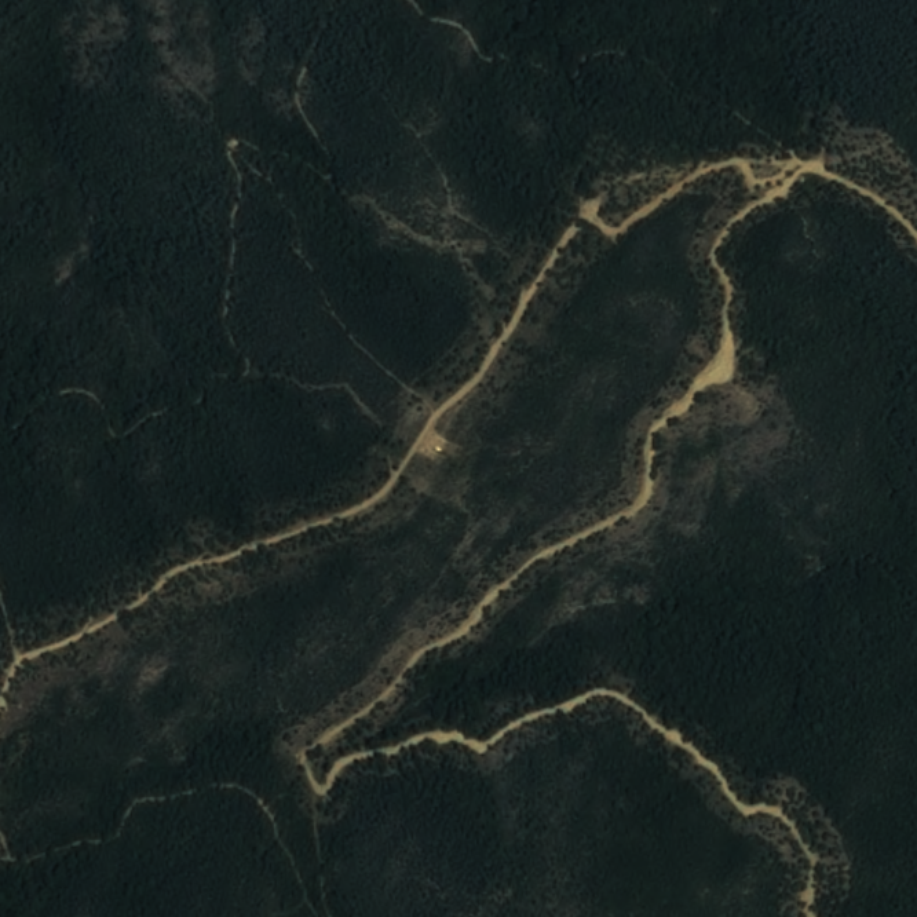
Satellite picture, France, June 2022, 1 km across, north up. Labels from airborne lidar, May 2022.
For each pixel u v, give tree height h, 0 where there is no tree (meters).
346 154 8
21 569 6
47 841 10
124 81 9
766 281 8
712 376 0
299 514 9
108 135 7
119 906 10
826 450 9
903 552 13
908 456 10
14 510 9
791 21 7
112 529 7
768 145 8
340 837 8
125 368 13
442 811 9
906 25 21
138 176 8
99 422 9
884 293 12
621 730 7
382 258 6
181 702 8
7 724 0
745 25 13
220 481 9
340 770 0
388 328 8
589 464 5
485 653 13
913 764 9
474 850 9
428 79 6
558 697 12
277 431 6
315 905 6
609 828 8
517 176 16
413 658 0
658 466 10
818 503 9
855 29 18
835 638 12
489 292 0
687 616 14
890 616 11
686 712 14
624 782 11
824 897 9
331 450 8
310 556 6
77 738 7
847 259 9
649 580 7
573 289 6
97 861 6
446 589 9
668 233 6
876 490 10
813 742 10
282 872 8
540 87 13
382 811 9
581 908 7
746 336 11
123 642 0
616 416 8
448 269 6
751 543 11
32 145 11
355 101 9
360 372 6
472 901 7
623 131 8
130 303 12
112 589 8
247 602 9
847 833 6
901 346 10
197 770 11
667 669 13
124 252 13
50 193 7
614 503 7
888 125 13
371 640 9
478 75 7
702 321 8
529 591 12
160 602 7
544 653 6
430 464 0
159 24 8
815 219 6
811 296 6
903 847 9
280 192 8
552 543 8
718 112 12
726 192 6
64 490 10
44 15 7
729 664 10
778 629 6
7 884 6
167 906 7
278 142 9
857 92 15
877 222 9
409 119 7
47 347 12
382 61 17
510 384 7
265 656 9
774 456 6
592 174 9
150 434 8
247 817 7
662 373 6
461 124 13
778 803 8
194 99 8
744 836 8
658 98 9
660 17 15
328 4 10
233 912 7
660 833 7
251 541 8
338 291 7
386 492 0
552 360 7
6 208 6
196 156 7
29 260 6
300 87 7
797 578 7
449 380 7
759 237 8
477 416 0
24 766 8
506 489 8
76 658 6
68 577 8
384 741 11
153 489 9
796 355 6
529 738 6
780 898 8
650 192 10
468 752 8
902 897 11
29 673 7
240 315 10
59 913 8
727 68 9
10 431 8
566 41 13
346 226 13
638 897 7
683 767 10
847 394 6
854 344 10
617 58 15
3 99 5
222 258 16
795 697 10
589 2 16
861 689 10
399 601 7
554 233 6
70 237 7
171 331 9
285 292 6
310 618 8
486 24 7
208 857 7
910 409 13
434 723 8
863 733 7
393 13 8
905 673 8
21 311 7
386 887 5
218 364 12
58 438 6
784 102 20
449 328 8
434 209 0
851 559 11
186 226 7
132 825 6
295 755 0
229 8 9
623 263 9
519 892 6
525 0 15
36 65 11
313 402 7
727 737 12
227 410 6
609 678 8
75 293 7
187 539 8
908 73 15
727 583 17
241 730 9
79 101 7
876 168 6
